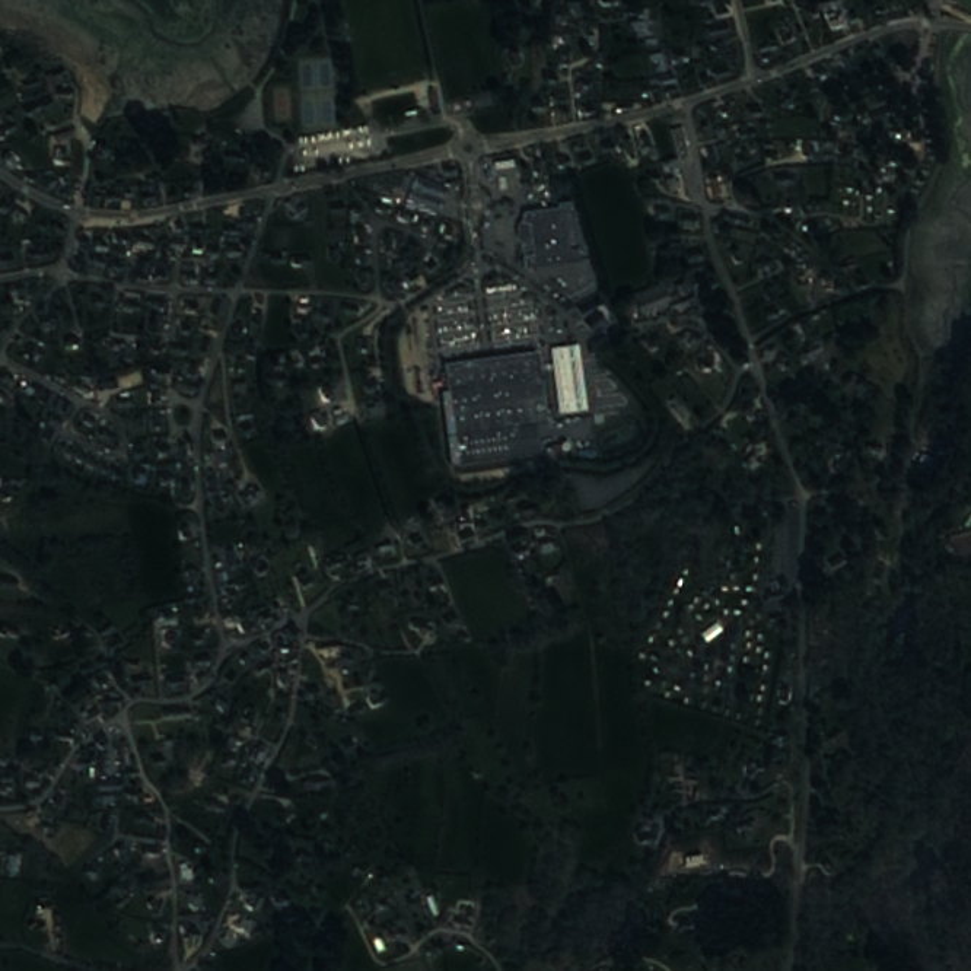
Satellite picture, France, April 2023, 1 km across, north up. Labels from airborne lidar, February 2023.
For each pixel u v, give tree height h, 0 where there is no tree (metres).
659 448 6
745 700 8
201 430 0
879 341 0
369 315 0
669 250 8
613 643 7
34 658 6
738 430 0
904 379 0
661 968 0
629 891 19
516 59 0
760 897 18
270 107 0
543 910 15
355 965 0
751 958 6
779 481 13
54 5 0
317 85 0
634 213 0
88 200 8
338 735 0
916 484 21
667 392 0
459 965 0
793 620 9
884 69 16
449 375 0
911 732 17
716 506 18
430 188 0
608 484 0
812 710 14
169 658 0
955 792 16
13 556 10
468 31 0
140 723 0
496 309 0
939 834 17
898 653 11
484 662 0
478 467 0
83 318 13
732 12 0
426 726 9
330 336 7
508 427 0
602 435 0
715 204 0
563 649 0
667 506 10
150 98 0
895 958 21
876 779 14
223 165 7
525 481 22
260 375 7
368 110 0
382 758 12
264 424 8
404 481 0
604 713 0
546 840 14
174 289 0
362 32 0
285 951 18
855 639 22
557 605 19
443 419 0
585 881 9
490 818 0
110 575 0
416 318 0
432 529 12
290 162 7
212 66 0
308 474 0
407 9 0
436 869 0
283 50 9
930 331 0
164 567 0
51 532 0
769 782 0
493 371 0
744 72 0
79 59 0
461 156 0
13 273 0
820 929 21
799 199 13
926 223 0
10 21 0
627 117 0
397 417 8
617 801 0
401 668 0
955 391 19
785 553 0
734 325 15
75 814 9
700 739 0
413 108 0
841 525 16
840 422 12
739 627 11
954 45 0
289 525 6
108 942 0
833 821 18
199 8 0
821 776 8
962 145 0
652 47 7
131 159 19
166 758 0
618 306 13
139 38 0
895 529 0
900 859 19
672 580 7
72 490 8
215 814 0
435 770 0
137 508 0
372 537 0
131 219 0
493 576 0
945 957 21
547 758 0
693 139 0
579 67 0
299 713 0
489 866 0
